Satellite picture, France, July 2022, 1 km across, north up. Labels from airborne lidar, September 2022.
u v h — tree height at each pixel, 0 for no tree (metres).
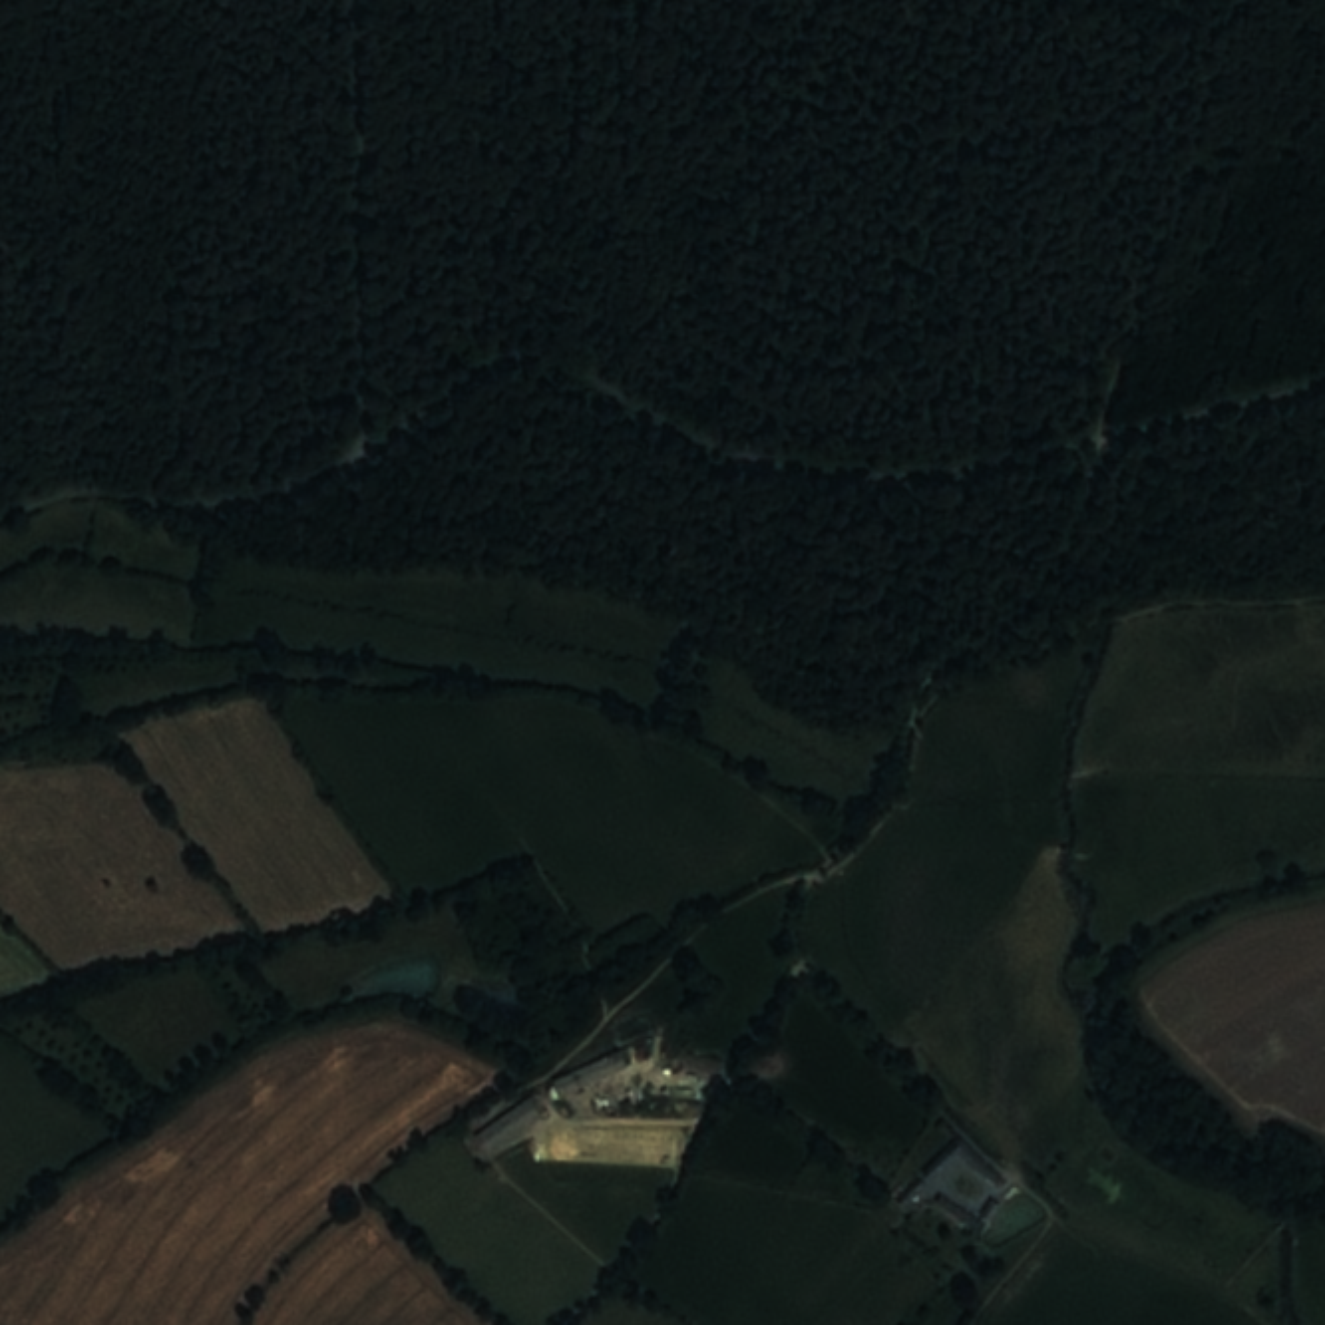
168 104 18
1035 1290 0
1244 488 22
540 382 23
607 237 24
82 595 0
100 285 19
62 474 25
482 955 9
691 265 18
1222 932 0
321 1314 0
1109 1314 0
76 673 19
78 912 0
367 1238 0
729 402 24
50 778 0
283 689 18
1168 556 20
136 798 0
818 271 25
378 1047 0
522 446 20
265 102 18
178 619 0
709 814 0
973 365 24
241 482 25
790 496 25
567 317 23
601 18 27
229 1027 0
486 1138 0
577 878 0
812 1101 0
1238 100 21
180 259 20
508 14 23
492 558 19
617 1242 0
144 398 21
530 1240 0
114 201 17
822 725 21
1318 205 16
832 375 28
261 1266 0
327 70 23
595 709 7
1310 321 14
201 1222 0
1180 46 23
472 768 0
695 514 20
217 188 22
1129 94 18
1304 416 20
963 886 0
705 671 23
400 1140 0
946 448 23
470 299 28
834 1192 0
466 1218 0
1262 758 0
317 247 27
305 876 0
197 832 0
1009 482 22
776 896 0
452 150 25
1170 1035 0
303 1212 0
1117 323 24
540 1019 9
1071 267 26
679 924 14
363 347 22
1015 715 0
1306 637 0
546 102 24
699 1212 0
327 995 0
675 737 19
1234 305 13
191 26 17
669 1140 0
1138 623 0
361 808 0
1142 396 13
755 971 0
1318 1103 0
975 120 25
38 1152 0
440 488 23
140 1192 0
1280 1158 23
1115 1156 0
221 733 0
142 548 0
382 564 22
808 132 25
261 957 15
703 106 22
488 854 0
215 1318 0
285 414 24
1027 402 25
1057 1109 0
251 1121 0
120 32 16
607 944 9
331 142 24
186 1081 14
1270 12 19
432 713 0
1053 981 0
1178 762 0
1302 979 0
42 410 22
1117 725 0
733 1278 0
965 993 0
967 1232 7
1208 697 0
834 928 0
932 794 0
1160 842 0
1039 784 0
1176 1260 0
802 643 19
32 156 24
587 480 23
